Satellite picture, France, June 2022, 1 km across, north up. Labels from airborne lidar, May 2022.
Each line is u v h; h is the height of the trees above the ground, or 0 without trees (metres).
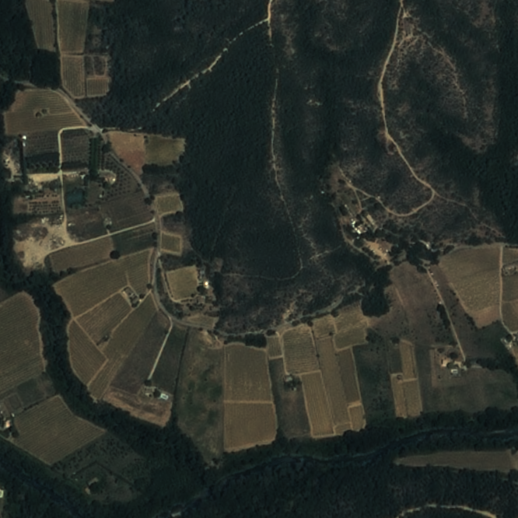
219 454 0
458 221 6
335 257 7
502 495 10
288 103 6
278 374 0
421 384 0
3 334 0
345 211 12
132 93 14
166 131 21
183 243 0
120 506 10
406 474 14
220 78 6
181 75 6
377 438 28
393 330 0
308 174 7
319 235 6
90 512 15
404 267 0
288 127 14
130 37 10
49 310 18
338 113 6
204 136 12
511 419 14
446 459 0
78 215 0
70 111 0
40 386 0
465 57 8
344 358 0
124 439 9
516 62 7
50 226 0
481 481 14
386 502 13
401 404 0
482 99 6
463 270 0
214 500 13
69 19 0
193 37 8
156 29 10
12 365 0
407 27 0
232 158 12
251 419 0
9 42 13
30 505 16
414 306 0
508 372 9
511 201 13
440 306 13
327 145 11
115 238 0
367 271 9
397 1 6
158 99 13
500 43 8
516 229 10
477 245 8
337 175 0
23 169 12
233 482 25
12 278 18
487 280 0
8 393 0
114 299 0
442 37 7
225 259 7
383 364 0
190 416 0
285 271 5
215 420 0
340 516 11
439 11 8
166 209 0
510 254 0
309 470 27
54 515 18
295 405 0
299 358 0
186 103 9
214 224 8
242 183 7
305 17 11
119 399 0
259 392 0
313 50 6
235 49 7
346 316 0
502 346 0
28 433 0
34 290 12
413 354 0
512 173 10
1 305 0
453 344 9
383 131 0
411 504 10
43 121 0
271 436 0
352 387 0
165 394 0
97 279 0
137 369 0
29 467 16
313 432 0
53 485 15
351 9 6
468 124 6
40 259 0
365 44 7
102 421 9
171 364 0
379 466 17
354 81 6
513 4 7
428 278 0
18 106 0
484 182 9
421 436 0
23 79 7
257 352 0
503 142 10
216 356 0
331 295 6
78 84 0
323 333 0
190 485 16
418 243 8
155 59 6
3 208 5
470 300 0
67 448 0
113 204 0
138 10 9
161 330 0
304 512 14
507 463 0
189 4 16
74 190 6
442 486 12
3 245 26
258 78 10
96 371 0
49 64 14
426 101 7
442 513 13
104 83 0
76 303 0
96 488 23
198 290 11
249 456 9
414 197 0
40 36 0
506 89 11
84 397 18
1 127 20
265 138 8
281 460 0
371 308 13
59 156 11
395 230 7
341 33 6
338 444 10
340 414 0
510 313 0
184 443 12
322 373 0
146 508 12
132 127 18
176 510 0
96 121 14
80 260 0
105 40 11
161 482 13
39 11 0
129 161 0
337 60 11
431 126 8
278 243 8
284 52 6
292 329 0
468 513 12
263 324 11
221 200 8
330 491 12
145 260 0
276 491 18
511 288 0
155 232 8
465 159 11
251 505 13
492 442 10
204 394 0
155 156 0
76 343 0
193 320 0
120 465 0
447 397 0
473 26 6
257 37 7
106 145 10
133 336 0
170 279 0
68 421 0
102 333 0
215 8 13
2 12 23
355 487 11
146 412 0
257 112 13
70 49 0
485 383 0
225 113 8
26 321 0
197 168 7
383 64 0
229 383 0
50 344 11
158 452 13
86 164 12
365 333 0
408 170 0
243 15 5
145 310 0
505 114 9
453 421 10
